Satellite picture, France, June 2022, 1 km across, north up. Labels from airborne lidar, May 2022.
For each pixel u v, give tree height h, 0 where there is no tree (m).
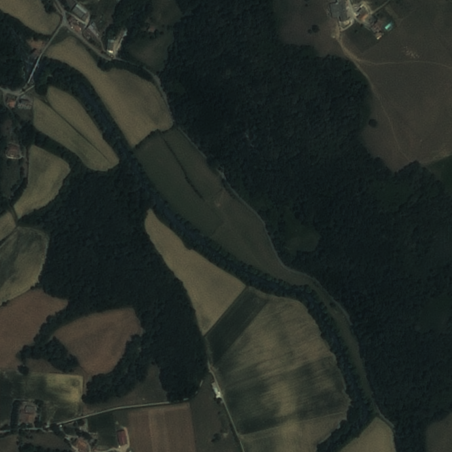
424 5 0
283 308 0
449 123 0
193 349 25
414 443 21
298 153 9
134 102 0
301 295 12
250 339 0
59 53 0
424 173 17
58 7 0
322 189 25
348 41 0
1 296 0
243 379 0
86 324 0
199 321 0
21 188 11
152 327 18
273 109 22
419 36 0
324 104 20
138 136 0
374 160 9
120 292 25
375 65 0
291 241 0
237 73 10
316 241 0
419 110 0
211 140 19
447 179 0
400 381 22
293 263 21
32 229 0
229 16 18
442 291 17
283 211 11
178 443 0
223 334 0
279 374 0
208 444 0
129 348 22
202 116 23
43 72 28
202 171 0
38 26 0
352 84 12
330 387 0
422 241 16
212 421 0
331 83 19
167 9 0
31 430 7
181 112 24
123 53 19
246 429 0
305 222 12
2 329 0
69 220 25
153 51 0
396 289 20
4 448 0
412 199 14
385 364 24
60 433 19
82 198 21
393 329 23
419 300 26
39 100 0
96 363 0
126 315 0
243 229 0
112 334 0
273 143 12
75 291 23
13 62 16
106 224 26
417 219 13
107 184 25
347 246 16
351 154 6
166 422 0
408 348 20
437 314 0
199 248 17
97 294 20
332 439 13
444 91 0
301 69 20
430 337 12
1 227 0
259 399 0
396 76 0
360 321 29
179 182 0
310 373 0
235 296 0
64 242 24
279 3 0
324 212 22
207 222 0
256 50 6
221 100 29
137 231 25
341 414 0
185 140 0
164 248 0
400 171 11
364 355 21
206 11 26
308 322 0
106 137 15
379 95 0
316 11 0
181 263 0
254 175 27
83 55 0
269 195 23
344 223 21
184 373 25
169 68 9
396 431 16
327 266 23
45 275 23
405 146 0
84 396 14
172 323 22
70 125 0
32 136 17
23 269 0
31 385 0
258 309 0
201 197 6
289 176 24
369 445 0
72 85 18
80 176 8
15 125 7
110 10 0
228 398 0
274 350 0
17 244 0
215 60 18
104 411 0
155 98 0
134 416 0
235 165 27
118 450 0
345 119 12
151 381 0
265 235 0
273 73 15
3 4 0
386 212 6
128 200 10
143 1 28
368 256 28
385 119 0
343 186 20
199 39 20
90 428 0
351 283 19
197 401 0
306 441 0
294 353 0
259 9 14
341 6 0
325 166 11
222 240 0
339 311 0
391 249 21
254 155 28
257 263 0
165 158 0
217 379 0
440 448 0
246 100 20
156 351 22
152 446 0
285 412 0
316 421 0
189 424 0
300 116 19
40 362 0
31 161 0
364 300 37
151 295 26
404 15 0
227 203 0
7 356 0
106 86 0
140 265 26
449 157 0
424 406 13
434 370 17
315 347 0
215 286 0
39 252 0
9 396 0
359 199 18
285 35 0
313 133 11
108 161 0
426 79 0
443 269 9
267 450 0
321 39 0
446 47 0
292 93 18
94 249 20
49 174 0
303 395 0
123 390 21
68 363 21
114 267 26
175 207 0
